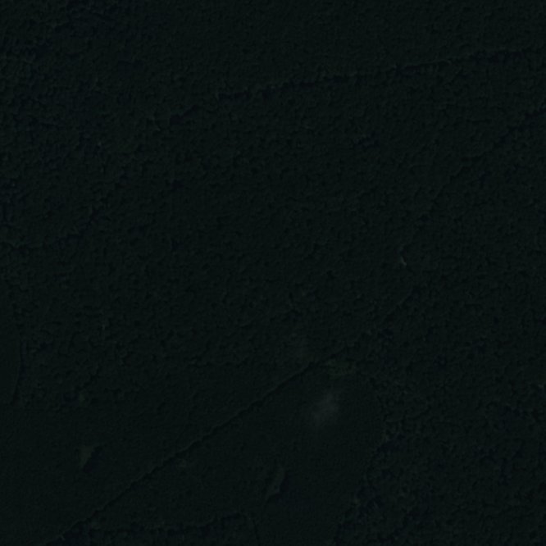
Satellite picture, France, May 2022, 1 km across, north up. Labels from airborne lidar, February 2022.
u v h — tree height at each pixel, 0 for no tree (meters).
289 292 32
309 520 20
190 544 32
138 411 24
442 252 34
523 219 34
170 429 24
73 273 29
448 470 33
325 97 32
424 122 33
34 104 32
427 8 32
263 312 35
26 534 24
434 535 33
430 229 31
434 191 31
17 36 18
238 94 29
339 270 34
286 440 18
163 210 33
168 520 20
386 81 30
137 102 29
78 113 28
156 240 33
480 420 33
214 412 27
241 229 34
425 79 33
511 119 31
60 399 28
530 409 14
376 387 33
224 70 28
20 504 25
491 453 35
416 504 33
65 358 33
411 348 33
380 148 35
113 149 30
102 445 25
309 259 33
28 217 33
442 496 34
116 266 32
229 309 35
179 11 32
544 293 33
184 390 27
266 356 31
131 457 28
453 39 31
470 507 34
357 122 34
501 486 34
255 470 20
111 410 26
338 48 30
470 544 35
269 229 35
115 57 29
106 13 32
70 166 28
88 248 26
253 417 20
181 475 30
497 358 32
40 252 29
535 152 33
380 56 31
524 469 32
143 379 29
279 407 19
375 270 35
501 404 32
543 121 30
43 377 30
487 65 30
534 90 30
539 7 32
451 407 34
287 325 33
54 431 26
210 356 33
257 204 33
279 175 34
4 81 34
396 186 34
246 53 31
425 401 29
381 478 30
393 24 35
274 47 33
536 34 32
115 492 19
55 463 22
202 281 34
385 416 27
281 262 34
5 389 19
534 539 30
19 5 25
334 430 18
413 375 33
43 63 35
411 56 30
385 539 28
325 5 32
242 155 35
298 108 34
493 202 34
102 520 27
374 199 31
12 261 32
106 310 32
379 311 32
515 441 34
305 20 32
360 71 29
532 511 34
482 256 34
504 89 32
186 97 30
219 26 32
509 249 31
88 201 28
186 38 32
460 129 36
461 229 36
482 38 30
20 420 27
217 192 36
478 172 32
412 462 33
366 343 35
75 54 33
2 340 21
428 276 31
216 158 32
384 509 32
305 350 33
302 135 36
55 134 28
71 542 31
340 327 36
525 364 33
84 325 31
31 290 32
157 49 31
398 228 33
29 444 24
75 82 28
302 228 32
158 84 32
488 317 33
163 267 31
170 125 30
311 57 30
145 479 14
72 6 30
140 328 31
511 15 32
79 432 25
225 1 29
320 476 17
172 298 34
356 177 33
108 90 31
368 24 32
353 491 19
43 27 22
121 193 31
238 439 20
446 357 32
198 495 22
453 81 32
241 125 33
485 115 37
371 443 19
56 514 27
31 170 31
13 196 29
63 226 31
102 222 27
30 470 24
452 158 32
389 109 34
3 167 37
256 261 36
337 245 35
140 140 25
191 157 32
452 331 33
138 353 31
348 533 32
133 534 31
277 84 28
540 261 34
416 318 35
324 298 35
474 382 32
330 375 20
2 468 25
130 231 31
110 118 32
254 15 32
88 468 20
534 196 31
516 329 32
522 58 30
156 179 31
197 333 33
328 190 36
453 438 33
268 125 32
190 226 33
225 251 35
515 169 31
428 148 33
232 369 27
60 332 31
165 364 34
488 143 33
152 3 30
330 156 31
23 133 33
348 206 34
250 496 21
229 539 34
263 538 18
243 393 28
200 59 30
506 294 33
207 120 32
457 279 35
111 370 34
